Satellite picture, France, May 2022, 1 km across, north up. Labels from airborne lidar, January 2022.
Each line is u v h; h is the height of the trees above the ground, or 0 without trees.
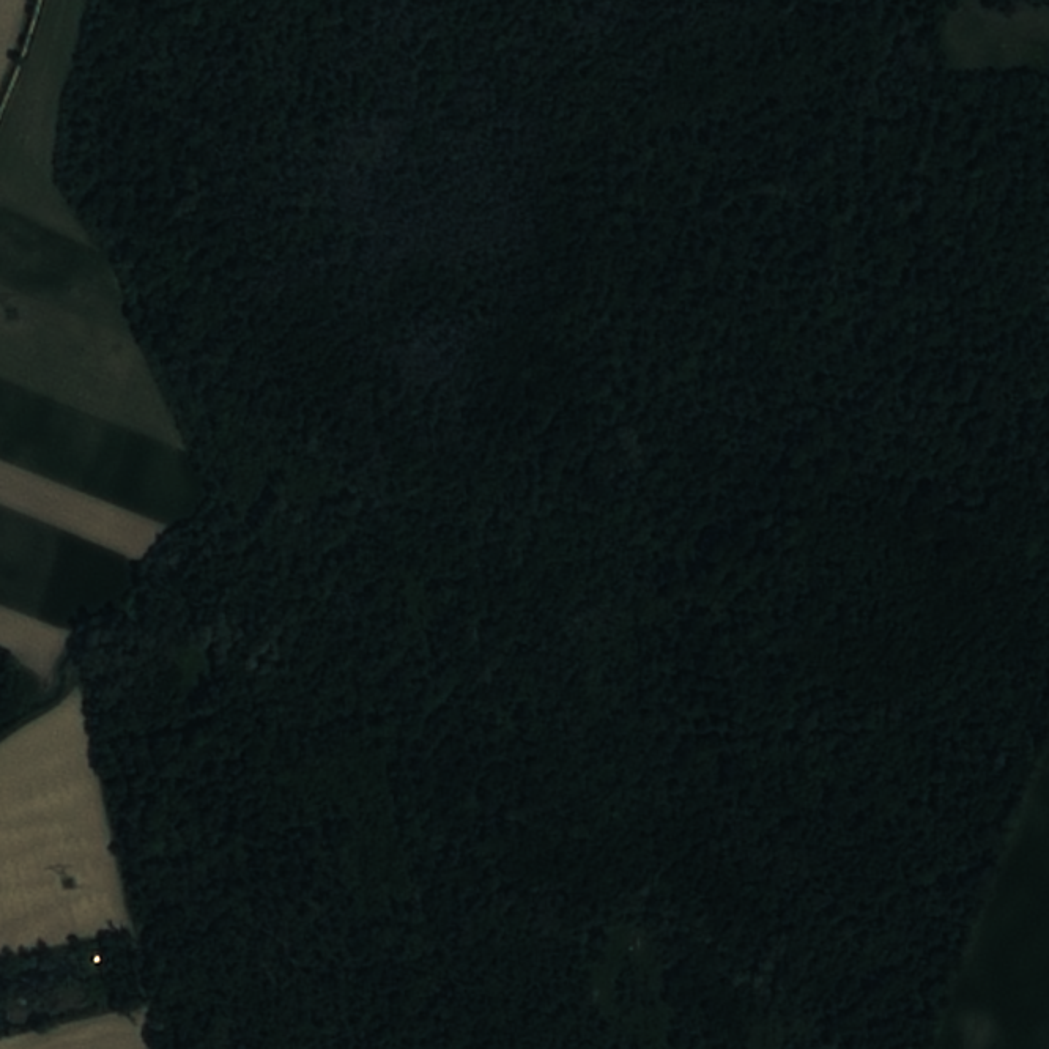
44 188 0
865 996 20
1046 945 0
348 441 14
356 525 16
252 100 13
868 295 12
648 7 20
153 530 0
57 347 0
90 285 0
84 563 0
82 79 7
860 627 18
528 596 12
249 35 8
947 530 25
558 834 10
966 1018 0
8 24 0
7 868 0
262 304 15
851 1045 18
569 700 10
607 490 15
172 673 22
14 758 0
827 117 25
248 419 12
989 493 16
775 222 21
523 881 11
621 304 7
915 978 10
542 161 15
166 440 0
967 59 0
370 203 18
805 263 23
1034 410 20
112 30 21
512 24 13
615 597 17
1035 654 20
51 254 0
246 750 27
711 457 14
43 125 0
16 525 0
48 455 0
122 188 17
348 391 18
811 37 9
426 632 0
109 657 29
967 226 17
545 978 13
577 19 23
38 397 0
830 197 6
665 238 20
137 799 19
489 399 16
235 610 17
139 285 13
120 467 0
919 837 16
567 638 19
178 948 18
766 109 15
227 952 16
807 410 26
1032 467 25
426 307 14
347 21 15
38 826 0
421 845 15
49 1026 15
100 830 0
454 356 16
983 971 0
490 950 8
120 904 0
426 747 18
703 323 16
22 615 0
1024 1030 0
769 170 18
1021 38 0
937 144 19
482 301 6
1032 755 20
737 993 16
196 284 22
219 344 17
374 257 16
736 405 18
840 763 23
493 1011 19
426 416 11
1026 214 14
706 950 13
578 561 13
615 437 25
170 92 17
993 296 20
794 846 18
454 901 10
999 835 23
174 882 19
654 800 13
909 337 19
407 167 16
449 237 18
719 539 28
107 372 0
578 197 20
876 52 7
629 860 7
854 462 22
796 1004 7
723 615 0
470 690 10
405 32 20
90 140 18
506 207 14
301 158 6
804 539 19
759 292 20
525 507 20
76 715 0
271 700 9
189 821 7
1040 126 17
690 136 16
